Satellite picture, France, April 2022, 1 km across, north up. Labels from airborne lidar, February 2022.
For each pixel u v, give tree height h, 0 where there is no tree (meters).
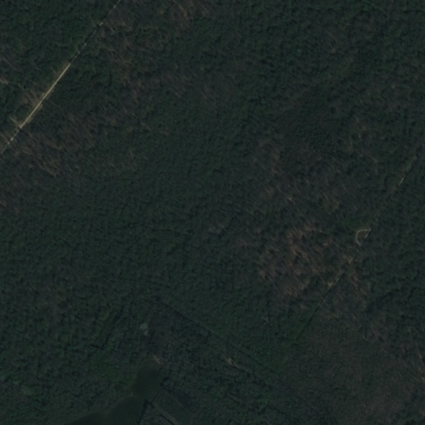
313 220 28
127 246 25
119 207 23
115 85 27
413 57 30
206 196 23
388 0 26
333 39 26
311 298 30
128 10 28
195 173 25
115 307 25
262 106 23
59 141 9
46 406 15
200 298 23
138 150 21
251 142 24
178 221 26
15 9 26
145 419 16
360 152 31
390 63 24
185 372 20
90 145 27
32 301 28
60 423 22
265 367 18
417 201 27
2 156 28
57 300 30
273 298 25
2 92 30
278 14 28
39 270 30
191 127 23
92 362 24
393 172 22
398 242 26
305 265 30
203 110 24
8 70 28
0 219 28
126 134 23
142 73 0
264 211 25
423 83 24
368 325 27
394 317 26
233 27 28
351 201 27
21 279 24
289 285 27
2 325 22
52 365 30
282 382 14
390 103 30
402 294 24
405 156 25
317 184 32
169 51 29
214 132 24
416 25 26
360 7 24
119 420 0
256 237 24
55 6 24
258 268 24
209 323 18
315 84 26
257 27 28
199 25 23
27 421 28
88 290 27
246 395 18
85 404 23
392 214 26
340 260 27
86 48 23
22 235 24
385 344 31
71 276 28
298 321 24
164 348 14
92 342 24
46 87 22
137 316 24
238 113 25
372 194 28
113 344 16
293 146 7
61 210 24
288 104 25
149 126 28
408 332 28
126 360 25
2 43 30
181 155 21
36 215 25
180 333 17
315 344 0
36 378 26
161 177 23
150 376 0
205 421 6
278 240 26
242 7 26
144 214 25
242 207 22
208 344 24
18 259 28
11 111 24
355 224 22
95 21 24
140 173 20
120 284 27
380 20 26
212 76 28
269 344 23
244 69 26
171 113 28
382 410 0
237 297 20
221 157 24
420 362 30
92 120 10
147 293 31
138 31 22
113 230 26
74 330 29
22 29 26
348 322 29
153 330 26
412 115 26
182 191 26
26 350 22
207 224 20
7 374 22
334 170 28
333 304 0
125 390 25
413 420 22
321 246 25
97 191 21
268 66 24
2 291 25
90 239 26
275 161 27
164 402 6
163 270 26
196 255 21
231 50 25
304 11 27
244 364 18
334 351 16
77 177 25
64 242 20
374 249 27
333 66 28
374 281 27
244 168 24
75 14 23
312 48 24
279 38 28
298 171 6
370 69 26
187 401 19
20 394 24
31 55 26
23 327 29
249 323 24
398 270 24
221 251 22
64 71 0
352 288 26
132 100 28
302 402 19
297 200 27
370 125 26
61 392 24
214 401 15
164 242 28
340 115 27
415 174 23
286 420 25
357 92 28
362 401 0
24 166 32
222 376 12
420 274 23
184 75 27
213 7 25
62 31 27
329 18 25
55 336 30
